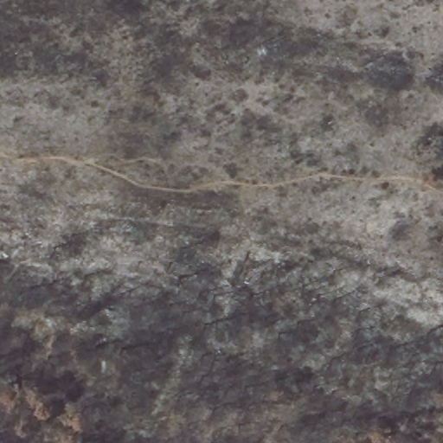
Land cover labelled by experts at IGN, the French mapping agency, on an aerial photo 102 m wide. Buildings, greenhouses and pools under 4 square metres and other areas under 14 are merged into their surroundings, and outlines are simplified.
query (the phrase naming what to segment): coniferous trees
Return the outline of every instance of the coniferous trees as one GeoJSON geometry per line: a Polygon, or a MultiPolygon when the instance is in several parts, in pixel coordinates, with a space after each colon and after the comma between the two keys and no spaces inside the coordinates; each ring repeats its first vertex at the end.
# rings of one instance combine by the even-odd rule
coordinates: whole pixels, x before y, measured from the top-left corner
{"type": "Polygon", "coordinates": [[[344,443],[443,443],[443,434],[438,433],[434,424],[415,421],[415,415],[405,414],[400,417],[396,412],[386,410],[379,412],[376,419],[362,417],[351,421],[350,429],[346,429],[344,433],[344,443]]]}
{"type": "Polygon", "coordinates": [[[0,379],[0,403],[3,407],[9,407],[10,414],[14,414],[17,426],[24,431],[24,438],[48,443],[93,443],[95,433],[92,427],[88,426],[85,403],[80,398],[73,403],[67,403],[64,414],[55,417],[43,408],[42,401],[38,400],[33,389],[17,386],[16,377],[0,379]]]}

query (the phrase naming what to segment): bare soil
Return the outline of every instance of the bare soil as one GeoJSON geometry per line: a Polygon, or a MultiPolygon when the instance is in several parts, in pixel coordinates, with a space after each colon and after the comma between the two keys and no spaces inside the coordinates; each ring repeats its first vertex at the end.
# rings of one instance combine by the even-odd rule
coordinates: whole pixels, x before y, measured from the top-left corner
{"type": "Polygon", "coordinates": [[[400,417],[405,414],[415,415],[415,421],[434,424],[438,433],[443,434],[443,0],[0,0],[0,379],[16,377],[17,386],[33,389],[38,400],[42,401],[43,408],[55,417],[64,414],[67,403],[73,403],[80,398],[85,403],[88,426],[92,427],[95,433],[93,443],[344,443],[344,433],[346,429],[350,429],[351,421],[362,417],[376,419],[379,412],[386,410],[396,412],[400,417]]]}
{"type": "Polygon", "coordinates": [[[24,438],[24,431],[17,426],[14,414],[10,414],[9,407],[3,407],[0,403],[0,443],[48,443],[24,438]]]}

